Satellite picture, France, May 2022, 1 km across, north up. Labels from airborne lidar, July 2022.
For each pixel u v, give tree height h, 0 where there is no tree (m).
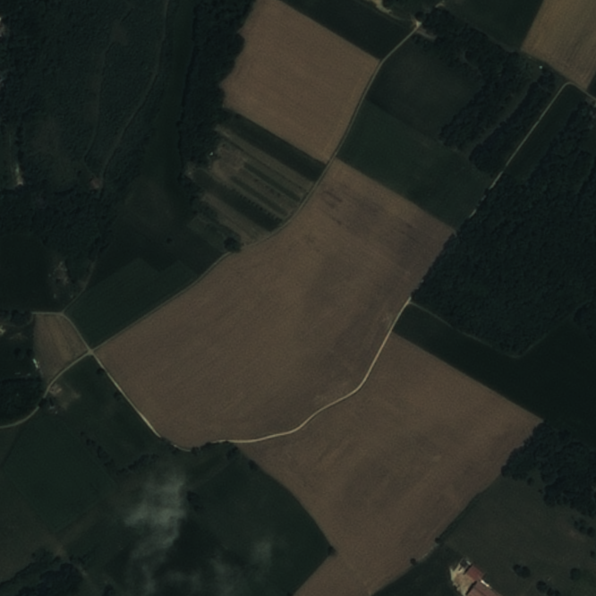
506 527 0
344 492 0
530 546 0
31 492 0
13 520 0
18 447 0
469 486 0
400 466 0
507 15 0
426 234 0
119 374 0
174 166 0
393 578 0
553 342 0
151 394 0
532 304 15
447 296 14
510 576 0
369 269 0
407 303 0
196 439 0
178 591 0
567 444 15
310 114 0
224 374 0
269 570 0
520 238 17
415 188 0
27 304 0
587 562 0
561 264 18
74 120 7
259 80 0
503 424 0
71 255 14
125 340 0
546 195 14
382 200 0
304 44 0
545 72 13
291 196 0
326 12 0
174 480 0
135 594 0
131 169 9
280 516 0
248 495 0
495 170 15
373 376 0
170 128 0
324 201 0
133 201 0
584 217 16
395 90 0
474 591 0
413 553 0
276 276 0
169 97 0
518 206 17
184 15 0
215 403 0
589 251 20
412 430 0
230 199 0
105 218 12
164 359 0
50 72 6
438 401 0
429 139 0
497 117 16
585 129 13
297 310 0
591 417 0
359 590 0
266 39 0
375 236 0
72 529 0
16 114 8
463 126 15
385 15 0
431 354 0
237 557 0
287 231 0
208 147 10
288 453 0
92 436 0
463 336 0
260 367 0
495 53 20
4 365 0
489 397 0
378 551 0
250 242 0
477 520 0
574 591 0
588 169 15
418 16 10
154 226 0
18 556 0
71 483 0
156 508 0
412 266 0
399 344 0
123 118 6
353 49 0
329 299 0
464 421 0
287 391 0
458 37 12
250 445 0
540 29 0
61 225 18
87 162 7
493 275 16
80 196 15
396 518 0
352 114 0
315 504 0
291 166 0
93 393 0
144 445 0
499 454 0
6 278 0
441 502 0
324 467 0
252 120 0
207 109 18
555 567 0
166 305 0
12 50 19
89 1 6
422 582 0
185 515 0
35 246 0
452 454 0
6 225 18
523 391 0
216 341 0
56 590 22
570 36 0
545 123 0
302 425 0
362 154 0
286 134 0
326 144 0
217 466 0
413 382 0
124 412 0
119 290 0
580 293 19
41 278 0
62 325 0
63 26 6
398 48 0
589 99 0
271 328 0
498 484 0
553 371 0
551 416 0
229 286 0
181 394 0
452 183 0
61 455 0
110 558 0
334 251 0
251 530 0
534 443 16
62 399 0
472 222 11
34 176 19
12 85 6
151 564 0
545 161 11
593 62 0
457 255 17
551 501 16
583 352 0
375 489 0
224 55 18
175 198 0
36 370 0
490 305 15
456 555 0
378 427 0
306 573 0
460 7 0
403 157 0
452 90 0
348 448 0
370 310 0
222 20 16
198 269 0
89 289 0
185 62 0
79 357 0
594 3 0
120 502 0
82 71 6
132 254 0
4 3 17
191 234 0
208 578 0
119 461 0
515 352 15
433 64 0
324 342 0
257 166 0
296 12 0
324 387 0
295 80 0
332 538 0
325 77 0
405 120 0
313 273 0
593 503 11
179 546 0
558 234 20
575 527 10
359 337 0
